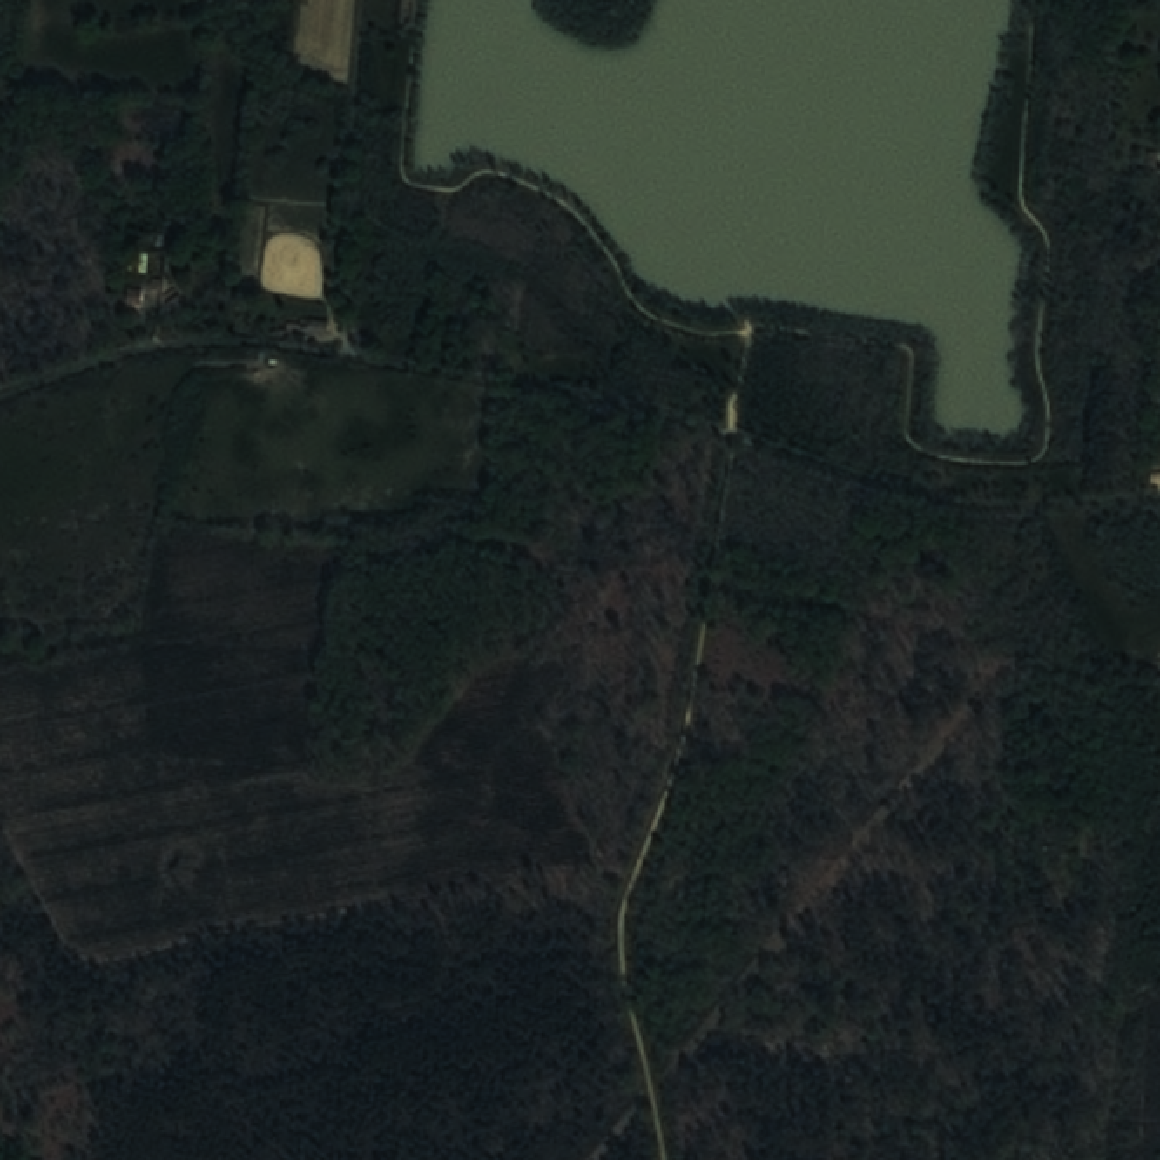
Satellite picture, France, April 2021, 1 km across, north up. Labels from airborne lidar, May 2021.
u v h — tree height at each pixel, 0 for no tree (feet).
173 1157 60
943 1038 73
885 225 0
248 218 61
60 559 0
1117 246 41
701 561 31
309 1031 42
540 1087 27
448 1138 19
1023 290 29
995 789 37
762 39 0
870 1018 49
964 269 0
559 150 0
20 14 51
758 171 0
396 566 79
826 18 0
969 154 0
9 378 32
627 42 21
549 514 68
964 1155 74
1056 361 33
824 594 52
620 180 0
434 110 0
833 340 39
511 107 0
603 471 67
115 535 0
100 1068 40
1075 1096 82
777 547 64
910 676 44
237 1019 50
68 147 61
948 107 0
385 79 0
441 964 52
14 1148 51
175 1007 45
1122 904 61
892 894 86
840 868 0
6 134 69
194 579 0
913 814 80
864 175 0
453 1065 47
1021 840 46
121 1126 47
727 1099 39
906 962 73
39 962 38
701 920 51
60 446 0
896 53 0
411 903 32
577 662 18
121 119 62
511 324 67
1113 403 75
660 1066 27
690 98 0
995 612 35
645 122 0
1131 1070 45
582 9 39
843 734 58
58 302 33
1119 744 23
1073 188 30
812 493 65
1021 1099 63
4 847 35
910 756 37
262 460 0
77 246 45
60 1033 49
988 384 0
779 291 0
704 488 72
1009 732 56
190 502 0
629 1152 45
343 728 72
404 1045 54
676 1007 55
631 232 0
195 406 20
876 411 44
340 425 0
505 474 64
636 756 50
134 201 53
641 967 23
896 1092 56
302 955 51
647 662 55
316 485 0
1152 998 25
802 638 72
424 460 0
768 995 60
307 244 0
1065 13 65
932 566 72
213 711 0
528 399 73
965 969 34
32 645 54
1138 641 0
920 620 55
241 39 70
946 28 0
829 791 33
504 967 39
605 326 43
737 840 47
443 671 73
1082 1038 61
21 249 73
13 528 0
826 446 28
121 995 37
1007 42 24
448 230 24
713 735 60
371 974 38
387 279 25
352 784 31
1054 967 72
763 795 42
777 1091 86
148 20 48
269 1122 39
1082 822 62
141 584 24
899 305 0
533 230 21
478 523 68
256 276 0
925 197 0
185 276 62
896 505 84
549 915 25
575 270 31
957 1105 52
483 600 72
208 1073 59
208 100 63
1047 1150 66
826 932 85
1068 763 69
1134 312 54
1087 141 40
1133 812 35
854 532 62
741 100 0
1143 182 48
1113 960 37
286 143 23
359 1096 22
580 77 0
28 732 0
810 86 0
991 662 34
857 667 35
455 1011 44
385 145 30
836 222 0
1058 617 21
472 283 37
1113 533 29
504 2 0
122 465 0
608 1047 29
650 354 29
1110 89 39
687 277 0
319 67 0
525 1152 36
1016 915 65
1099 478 55
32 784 0
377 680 43
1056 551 40
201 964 41
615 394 57
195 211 70
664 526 21
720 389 50
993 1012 78
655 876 42
